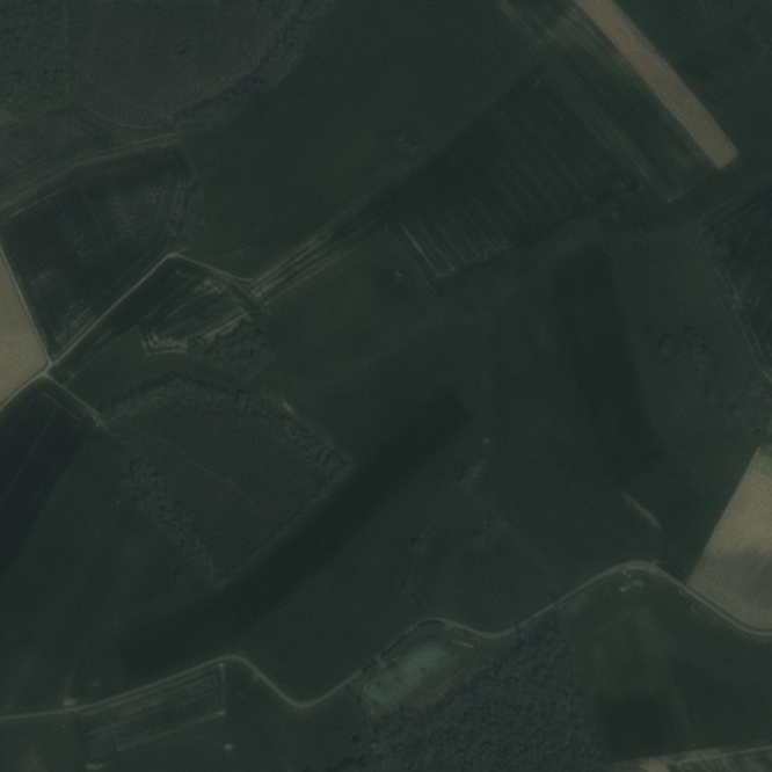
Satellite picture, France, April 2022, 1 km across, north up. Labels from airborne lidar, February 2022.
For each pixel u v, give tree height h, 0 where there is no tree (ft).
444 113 0
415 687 0
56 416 0
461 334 0
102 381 0
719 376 0
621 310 0
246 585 0
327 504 0
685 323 0
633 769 0
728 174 0
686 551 0
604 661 0
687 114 0
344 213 0
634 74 0
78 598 0
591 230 0
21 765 0
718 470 0
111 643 0
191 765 0
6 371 0
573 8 0
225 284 0
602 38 0
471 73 0
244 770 0
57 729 0
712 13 0
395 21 0
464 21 0
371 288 0
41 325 0
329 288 0
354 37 0
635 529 0
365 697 0
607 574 0
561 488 0
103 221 0
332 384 0
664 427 0
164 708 0
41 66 79
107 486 0
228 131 0
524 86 0
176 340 0
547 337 0
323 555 0
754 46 0
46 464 0
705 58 0
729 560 0
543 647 28
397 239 0
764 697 0
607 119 0
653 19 0
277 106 0
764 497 0
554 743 81
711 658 0
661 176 0
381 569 0
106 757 0
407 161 0
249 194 0
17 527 0
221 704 0
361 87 0
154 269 0
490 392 0
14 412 0
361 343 0
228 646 0
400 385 0
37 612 0
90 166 0
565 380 0
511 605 0
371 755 0
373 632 0
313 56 0
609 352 0
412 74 0
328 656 0
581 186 0
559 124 0
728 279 0
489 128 0
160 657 0
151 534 0
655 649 0
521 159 0
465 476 21
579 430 0
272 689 0
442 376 0
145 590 0
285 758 0
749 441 0
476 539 43
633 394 0
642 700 0
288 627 0
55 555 0
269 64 68
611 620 0
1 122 0
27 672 0
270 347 33
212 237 0
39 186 0
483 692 65
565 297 0
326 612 0
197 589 0
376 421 0
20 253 0
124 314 0
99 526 0
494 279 0
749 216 0
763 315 0
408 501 0
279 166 0
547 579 0
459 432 0
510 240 0
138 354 0
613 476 0
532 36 0
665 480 0
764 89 0
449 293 0
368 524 0
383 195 0
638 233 0
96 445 0
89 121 0
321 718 0
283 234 0
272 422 46
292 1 53
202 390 57
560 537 0
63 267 0
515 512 0
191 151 0
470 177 0
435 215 0
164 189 0
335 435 0
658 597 0
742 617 0
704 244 0
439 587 0
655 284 0
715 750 0
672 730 0
